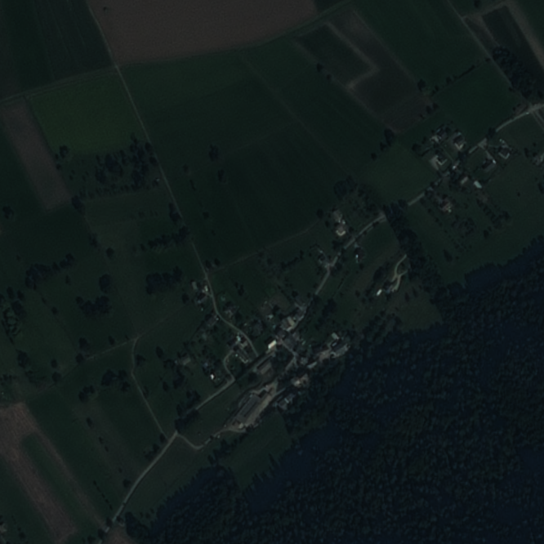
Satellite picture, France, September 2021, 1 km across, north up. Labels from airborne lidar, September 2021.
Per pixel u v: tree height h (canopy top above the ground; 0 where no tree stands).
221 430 0
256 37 0
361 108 0
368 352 22
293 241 0
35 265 0
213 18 0
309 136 0
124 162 13
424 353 22
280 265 0
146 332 0
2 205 0
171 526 21
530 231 0
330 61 0
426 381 28
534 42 0
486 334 22
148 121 0
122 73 0
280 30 0
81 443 0
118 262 0
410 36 0
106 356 0
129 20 0
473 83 0
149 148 12
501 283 30
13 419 0
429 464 17
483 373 21
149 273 0
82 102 0
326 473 24
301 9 0
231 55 0
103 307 19
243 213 0
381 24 0
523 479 18
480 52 0
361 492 20
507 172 0
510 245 0
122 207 0
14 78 0
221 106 0
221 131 0
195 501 21
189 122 0
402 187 0
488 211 11
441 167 0
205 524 30
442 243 0
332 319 8
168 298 0
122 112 0
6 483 0
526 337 20
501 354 23
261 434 0
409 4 0
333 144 0
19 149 0
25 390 0
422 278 17
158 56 0
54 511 0
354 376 19
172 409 0
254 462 0
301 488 26
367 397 21
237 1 0
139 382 0
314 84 0
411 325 0
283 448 0
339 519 26
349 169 0
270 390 0
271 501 0
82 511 0
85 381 0
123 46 0
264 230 0
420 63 0
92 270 0
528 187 0
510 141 0
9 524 0
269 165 0
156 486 0
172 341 0
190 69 0
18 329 19
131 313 0
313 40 0
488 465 29
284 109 0
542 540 24
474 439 30
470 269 0
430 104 0
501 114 0
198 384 0
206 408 0
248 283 0
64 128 0
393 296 8
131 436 0
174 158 0
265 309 0
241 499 15
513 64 18
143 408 0
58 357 0
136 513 0
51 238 0
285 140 0
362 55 0
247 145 0
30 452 0
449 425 23
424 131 0
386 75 0
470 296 12
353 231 9
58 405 0
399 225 16
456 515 18
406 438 18
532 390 24
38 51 0
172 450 0
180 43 0
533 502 23
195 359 10
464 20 0
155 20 0
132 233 0
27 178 0
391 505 16
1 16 0
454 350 22
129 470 0
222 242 0
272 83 0
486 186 9
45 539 0
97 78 0
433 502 14
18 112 0
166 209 0
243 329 7
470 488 20
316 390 19
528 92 14
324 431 0
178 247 22
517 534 23
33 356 0
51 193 0
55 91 0
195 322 0
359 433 26
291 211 0
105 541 10
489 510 22
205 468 0
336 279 13
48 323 0
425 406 28
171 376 0
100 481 0
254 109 0
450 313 19
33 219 0
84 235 0
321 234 0
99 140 0
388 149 8
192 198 0
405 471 12
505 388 23
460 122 0
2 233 0
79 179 0
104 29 0
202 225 0
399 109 0
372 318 0
